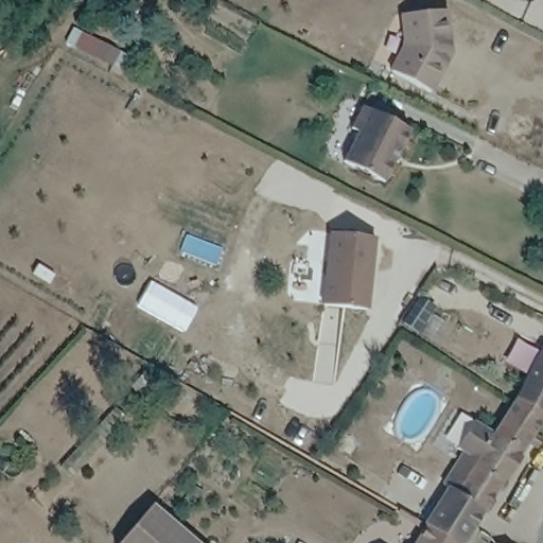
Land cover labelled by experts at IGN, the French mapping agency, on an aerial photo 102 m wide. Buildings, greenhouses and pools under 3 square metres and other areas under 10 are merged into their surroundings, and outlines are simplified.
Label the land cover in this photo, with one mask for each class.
<instances>
[{"label":"herbaceous vegetation","instance_id":"1","mask_svg":"<svg viewBox=\"0 0 543 543\"><path fill-rule=\"evenodd\" d=\"M161 11L172 19L176 32L187 45L176 55L163 51L161 45H155L153 53L159 62H176L180 66V62L195 49L204 55L202 62H210L216 70L225 72V81L218 87H214L210 81H197L182 95L197 106H204L280 146L284 142V136L293 127H297L299 119H312L316 115H322L335 123V117L344 100L356 102L361 100L358 89L367 87V76H363L358 70L341 68L335 62L312 53L310 49L263 25L252 23L250 19L225 6H216L210 13V17L227 25L242 40V47L233 51L225 42H218L212 36H208L204 32V25H189L180 13H176L170 6L168 0H142L140 23L146 25L151 17ZM322 76L337 78V93L331 100H314L308 91V81L318 85V78ZM255 13L261 6H267L269 21L274 25L310 40L312 45L329 51L335 57L358 59L365 66H369L373 62L378 47L388 45L384 38L390 32V19L399 15L424 8H448V23L452 25L454 38L458 34H465L469 38L467 42L471 47H477L484 38V30L490 28L496 34L492 40V57L501 68L513 72L524 81L543 76V40L522 32L515 23H507L481 11L479 6L467 0H233ZM93 34H98V40L115 47L117 51H123V55L132 53V45H117L119 34H112V30L108 28H98ZM68 38L62 36L57 42H53L55 49L62 51V59H66V66L59 70V76L55 78L51 91L36 110L32 129L17 140L13 153L0 159V263L11 265L19 272L32 267L36 272V278L45 280L53 291L74 299L85 308L81 322H85V331L78 337V341L70 350H66L57 363H53V367L30 388V392L4 420L0 418V439L13 441L23 437L36 443L34 469L23 471L11 481L0 484V543H127L125 535L138 524V520L148 511L153 503L174 515L180 505V498L174 496V475L182 471V467H170V456L185 458L189 454L191 448L185 441V433L174 428V424L170 422L157 420L153 428L140 431V437L134 443V452L129 456H119L117 452H110L106 448L93 450V454L89 456V465L83 467V471H74L70 467H62L59 458L74 445L76 435L70 433L68 416L64 409L89 397L91 405L102 411L108 405L102 397L100 380L108 378L110 365H117L119 358L132 361L138 356V352L119 339H112L108 329L93 327L98 308L93 305V297L102 291H108L112 293V303L117 305L129 301L132 305H138L148 284H159L170 293L182 297L185 301L197 308V314L189 329L180 331L185 341L191 344L195 356L187 358L185 367L176 371L180 375V399L174 407H170L172 416H193L195 397L204 392L227 403L231 409H235L242 416L255 409L257 422L274 431H286V435L295 437V445L312 443L318 420L297 416L293 409L282 405V397L288 378H312L316 348L308 339V325L320 320L327 303L320 299L318 303L295 301L286 293V286L274 295L261 293L255 297L252 303H248L242 293L227 291L223 286L229 267L238 259V250L242 248L252 250V257L259 261L257 269L259 274H265L278 265L282 272L293 261L305 259L308 248L299 244V238L303 233H327V221L318 212L272 202L259 195L257 187L261 185L269 165L278 161L274 155L244 142L240 136L227 134L214 127L212 123L195 119L191 112L151 95L142 85L132 83L123 72H112V64H106L104 59L83 51L78 45L68 47ZM189 235L221 246L223 261L218 265H206L185 257L182 244ZM47 465H53L57 469L59 481L49 490H42L38 481L45 475ZM74 511L78 515L81 530L74 537L55 535L51 526L59 524L64 513ZM515 115H524L532 121V129L528 134H520L513 138L509 134L492 136L490 127H477L475 134L479 140L509 153L518 161L543 170V100L522 98L513 104ZM318 168L339 174L348 182L363 187L375 193L378 197L452 231L454 235L492 252L498 259L509 261L520 250L524 259L532 246L543 250V229L526 225L522 206V195L515 189H509L505 182L492 178L488 170L477 168L473 172H462L458 163L450 170L411 172L409 168L397 163L384 176L386 180H375L367 172L339 165L335 159H331L329 155L320 161ZM409 176L418 180L424 178L418 202H409L405 197V185ZM520 333H513L507 320L492 316L490 310L486 314H477L473 310L435 305L426 329H422V335L431 339L435 346L454 354L460 363L477 361V365L481 367L494 363V356L501 352L509 356L518 341ZM369 320V316L365 314L348 310L339 356L335 365V371L339 375ZM399 352L405 361L403 373H392L384 378V397H367V411L352 422L339 448L327 458V465L348 469V475L361 471L363 484L380 492L386 484L392 481V475H397L399 465H409V473H416L422 479L437 475L441 479L445 465L454 458L458 450L456 443L448 439V435L454 428L458 416L465 414L471 418L473 411L481 407L488 411H496L501 403L492 392L475 386L471 380L437 363L411 344L401 341ZM414 382H428V390H435L439 397L445 399V409L439 414L433 431H428L426 439L418 450L407 443L409 437L403 435H388L386 424L390 416L399 414L405 401L411 397L409 386ZM242 477H229L218 456L208 462V475H199L195 488V496L202 498V507L197 511H191L189 520L182 522L204 543H358L356 539L361 537V532L380 520L375 505H371L369 501L344 490L341 486L329 479L314 481L303 471L295 475H284L274 488L276 496L284 501V511L269 513L267 518L257 515L250 511L242 496H225L238 490Z\"/></svg>","mask_w":543,"mask_h":543},{"label":"pervious surface","instance_id":"2","mask_svg":"<svg viewBox=\"0 0 543 543\"><path fill-rule=\"evenodd\" d=\"M496 6L509 11L511 15L524 17L528 23L539 25L543 30V0H490ZM496 34L490 28L484 30V38L477 47H471L467 42L469 38L465 34H458L454 38V55L448 68H443L441 81L433 87L411 74L395 70L392 66L390 62H373L369 66V70H373L375 74L388 76L403 87L418 89L431 102L441 104L458 117L475 121L477 127H490L492 136L509 134L513 138L520 134H528L532 129V121L524 115H515L513 104L522 98L543 100V76L524 81L513 72L501 68L492 57V40ZM441 89H450L452 93L465 100L473 98L479 106L462 108L443 98ZM367 87L358 89L361 100L363 104L382 110L407 125H411V121L418 119L424 121L426 127L445 134L454 142H467L471 146L469 159H475L477 168L488 170L492 178L505 182L509 189H515L522 195V206L530 204L535 195H543V170L518 161L509 153L479 140L475 134L465 132L448 121H441L431 112L418 110L416 106L403 100L390 102L382 95L365 98ZM259 195L272 202L318 212L327 221V231H375L378 235L373 295L371 305L365 314L369 316V320L339 375L335 371V365L339 356L348 310H339L337 303H327L320 320L308 325V339L316 348L312 378H288L282 397V405L293 409L297 416L318 420H331L341 409V405L352 395V390L356 388V384L369 367L371 348H382L397 327V318L403 305L414 297L418 280L433 263L437 265V272H441L448 263H460L465 267H471L475 272V278H479L481 282H492L501 291H511L515 299L543 312V295L465 252L450 250L448 246H441L431 240H411L409 229L399 221L382 216L380 212L363 204H356L335 193L333 187H329L327 182L308 176L305 172L284 161H278L269 165L261 185L257 187ZM327 233H303L299 238V244L308 248L305 259L293 261L282 272L286 278V293L295 301L318 303L320 299ZM259 261L252 257V250L242 248L238 250V259L229 267L223 286L227 291L242 293L248 303H252L255 297L261 293L255 284L257 269ZM428 297L435 301V305L473 310L477 314H486L490 310L492 316L507 320L513 333H520L518 341L532 346L539 352L543 350V322L511 310L501 301L486 299L479 291H469L460 286V280L456 276H452L443 286H433ZM539 445H524V456L507 475L505 488L498 490L490 511H486L481 522L475 524V530L471 535L475 543H543V433H537Z\"/></svg>","mask_w":543,"mask_h":543},{"label":"deciduous trees","instance_id":"3","mask_svg":"<svg viewBox=\"0 0 543 543\"><path fill-rule=\"evenodd\" d=\"M42 0H0V49L15 42L21 25L30 21L32 11L40 6ZM142 0H51L47 17L42 19V23L34 28L32 38L23 42V55L30 57L38 47H42L51 38L49 28L59 21L66 8L74 13L78 30L85 34H93L98 28H108L112 30V34H119L117 45H132V53L123 55V72L132 83L142 85L151 95L191 112L197 106L182 95L197 81H210L214 87H218L225 81V72L216 70L210 62H202L204 55L195 49L180 62V66L176 62H159L153 53L155 45H161L163 51L176 55L187 45L176 32L172 19L161 11L151 17L146 25L140 23ZM170 6L176 13H180L189 25H204L210 17V13L216 6L214 0H168ZM308 91L314 100H331L337 93V78L322 76L318 78V85L308 81ZM335 123L322 115H316L312 119H299L297 127H293L284 136V142L280 146L318 168L320 161L329 155L327 144ZM424 178L418 180L409 176L405 185V197L409 202H418ZM526 225L543 229V195H535L530 204L522 206ZM524 263H528L530 267L543 269V250L532 246L524 259ZM255 284L261 293L274 295L286 286V278L282 272L278 265L265 274H259L257 269ZM85 331V322H81L6 403L0 401V418L4 420L30 392V388L53 367V363H57L66 350H70L78 341V337ZM32 335V327H25L8 348H0V363L6 361ZM47 337H40L30 348V352L15 365L11 373H0V390L6 384H11L21 373V369L42 350ZM142 375L146 378V386L138 390L134 388V384ZM102 397L108 405H119L125 411H121V420L112 424L110 435L106 439V448L110 452H117L119 456H129L134 452V443L140 437V431L153 428L157 420L170 422L174 424V428L185 433V441L191 448L189 454L185 458L170 456V467H182V471L174 475V496L180 498V505L174 515L182 522L189 520L191 511H197L202 507V498L195 496V488L199 475H208V462L204 458V448H212L218 454L235 456L240 452H248L250 456H257L263 452L265 443H269V437H265L263 433L259 437H248L246 433H233L231 428L223 426V420L231 409L227 403L204 392L195 397L193 416H172L170 407H174L180 399V375L176 371L165 361L148 358L142 352H138V356L132 361L119 358L117 365H110L108 378L100 380ZM475 373H479L484 380L498 386L501 390L509 392L520 382L522 371L509 363V356L501 352L494 356V363L481 367L477 365L473 367ZM68 416L70 433L76 435L74 445L76 450H83L98 437V428L104 422L100 418L102 411L91 405L89 397L64 409ZM496 411H488L481 407L473 411L471 418L481 420L484 426H490L494 422ZM36 443L23 437L13 441L0 439V484L11 481L23 471L34 469ZM59 481L57 469L53 465H47L45 475L38 481L42 490H49ZM284 511V501L276 496L274 488L265 490L263 509H259L257 515L267 518L269 513ZM55 535L74 537L81 530L78 515L74 511L64 513L59 524L51 526Z\"/></svg>","mask_w":543,"mask_h":543},{"label":"building","instance_id":"4","mask_svg":"<svg viewBox=\"0 0 543 543\"><path fill-rule=\"evenodd\" d=\"M399 28L407 34L399 40V47L392 53V66L395 70L411 74L433 87L441 81L443 68H448L454 55V38L452 25L448 23V8H424L399 15ZM98 34H85L78 30H72L68 38V47L78 45L83 51L104 59L106 64H112V72H123V51H117L115 47L98 40ZM350 123L356 129L348 132L341 153L335 159L339 165L367 172L375 180H386L384 176L397 163L399 157H403L401 148L407 136L403 134V129L407 125L382 110L363 104L361 100L356 102L354 112L350 117ZM378 235L375 231H327V233L320 299L327 303H337L339 310H348L365 314L371 305L373 295ZM148 316L180 331L189 329L197 314V308L185 301L182 297L170 293L159 284H148L138 305ZM435 305V301L428 297H414L403 305L397 318V327H409L411 331L422 335V329H426ZM509 363L522 371L520 382L509 392L507 401L501 403L496 411L494 422L490 426H484L481 420L471 418L465 414L458 416L454 428L448 435V439L456 443L458 450L454 458L445 465L441 479L439 484L445 488V494L441 496L439 505L428 518L426 532L420 539L422 543H475L471 535L475 530V524L481 522L486 511H490L498 490L505 488L507 475L524 456V445H539L537 433H543V350L539 352L532 346L518 341L509 356ZM146 386V378L142 375L134 384V388L138 390ZM121 411H125L119 405H108L102 411L100 418L104 422L98 428V437L83 450H76L74 445L59 458L62 467H70L74 471H83V467L89 465V456L93 454V450L106 448V439L110 435L112 424L121 420ZM127 543H204L182 522L174 515L153 503L148 511L138 520V524L125 535Z\"/></svg>","mask_w":543,"mask_h":543},{"label":"brushwood","instance_id":"5","mask_svg":"<svg viewBox=\"0 0 543 543\"><path fill-rule=\"evenodd\" d=\"M216 6H225L250 19L252 23L263 25L310 49L312 53L335 62L341 68L358 70L363 76H367V87L365 98L382 95L390 102L403 100L416 106L418 110L431 112L441 121H448L465 132L475 134L477 127L475 121L458 117L441 104L431 102L418 89L403 87L388 76L375 74L373 70H369V66H365L358 59L335 57L329 51L312 45L310 40L274 25L269 21L267 6H261L255 13L233 0H214ZM479 6L481 11L507 23H515L522 32L543 40V30L539 25L528 23L524 17L511 15L509 11L496 6L490 0H467ZM204 32L208 36H212L218 42H225L233 51L242 47V40L227 25L210 17L204 25ZM443 98L462 108L479 106L473 98L465 100L452 93L450 89H441ZM195 119L212 123L214 127L227 134L240 136L244 142L274 155L278 161H284L305 172L308 176L327 182L329 187H333L335 193L356 204H363L380 212L382 216L399 221L409 229L411 240H431L441 246H448L450 250L465 252L543 295V269L530 267L528 263H524V259L520 250L509 261L498 259L492 252L454 235L452 231L378 197L375 193L363 187L348 182L339 174L318 168L280 146L204 106H197L191 112ZM403 134L407 136L401 148L403 157L416 163H458L462 172H473L477 168L475 159H469L471 146L467 142H454L445 134L426 127L424 121L418 119L411 121V125H407L403 129ZM452 276H456L460 280V286L469 291H479L486 299L501 301L511 310L543 322V312L515 299L511 291H501L492 282H481L479 278H475V272L471 267H465L460 263H448L441 272H437V265L433 263L418 280L414 297H428L433 286H443ZM401 341L411 344L437 363L471 380L475 386L492 392L501 403L507 401L509 392L501 390L498 386L484 380L479 373H475L473 367L477 365V361L460 363L454 354L435 346L431 339L422 335L411 331L409 327H397L382 348H371L369 367L356 384V388L352 390V395L341 405V409L331 420H318L312 443L295 445V437L286 435V431H274L257 422L255 409L242 416L235 409H231L223 420V426L231 428L233 433H246L248 437H259L263 433L265 437H269V443L282 452H288L295 460L303 462V471L314 481L329 479L341 486L344 490L369 501L371 505H375L380 520L397 524V515L405 513L407 518L420 520V511L403 503L386 501L380 492L363 484L361 471L348 475V469L327 465V458L339 448L352 422L367 411V397H384V378L392 373H403L405 361L399 352Z\"/></svg>","mask_w":543,"mask_h":543},{"label":"agricultural land","instance_id":"6","mask_svg":"<svg viewBox=\"0 0 543 543\"><path fill-rule=\"evenodd\" d=\"M51 0H42L40 6L32 11L30 21L21 25L15 42L0 49V159L13 153L17 140L32 129L36 110L51 91L55 78L59 76V70L66 66V59H62V51L55 49L53 42H57L62 36L68 38L72 30H78L74 13L66 8L59 21L49 28L51 38L42 47H38L30 57L23 55V42L32 38L34 28L42 23V19L47 17ZM85 308L74 299L53 291L45 280L36 278V272L32 267L19 272L11 265L0 263V348H8L25 327H32V335L6 361L0 363V373H11L15 365L30 352V348L40 337H47L42 350L21 369V373L11 384H6L0 390V401L6 403L81 322ZM93 305L98 308L93 327L108 329L112 339H119L138 352H142L148 358L165 361L176 371L185 367L187 358L195 356L191 344L185 341L180 331L148 316L138 305H132L129 301L117 305L112 303V293L108 291H102L93 297ZM218 456L229 477H242L238 490L225 496H242L250 511L257 515L259 509H263L265 490L274 488L284 475H295L303 471V462L295 460L288 452H282L269 443H265L263 452L257 456H250L248 452H240L235 456L218 454L212 448H204V458L208 462Z\"/></svg>","mask_w":543,"mask_h":543},{"label":"impervious surface","instance_id":"7","mask_svg":"<svg viewBox=\"0 0 543 543\"><path fill-rule=\"evenodd\" d=\"M407 34L399 28V15L390 19V32L384 38L388 45L378 47L373 62H390L392 66V53L399 47V40ZM356 102L344 100L335 117V123L327 144L329 155L331 159H335L341 153L348 132L356 129L350 123V117L354 112ZM397 163L409 168L411 172L450 170L458 163H416L403 157H399ZM428 382H414L409 386L411 397L405 401L399 414L390 416L386 424L388 435H403L401 428L409 409L420 399H431L435 407L426 426L420 431V435L409 437L407 443L418 450L426 439L428 431H433L439 414L445 409V399L439 397L435 390H428ZM441 479L437 475L422 479L416 473H409V465H399L397 475H392V481L386 484L380 492L386 501L403 503L420 511V520L407 518L405 513L397 515V524L380 520L361 532V537L356 539L358 543H422L420 539L426 532L428 518L439 505L441 496L445 494V488L439 484Z\"/></svg>","mask_w":543,"mask_h":543},{"label":"swimming pool","instance_id":"8","mask_svg":"<svg viewBox=\"0 0 543 543\"><path fill-rule=\"evenodd\" d=\"M185 257L206 265H218L223 261L221 246L189 235L182 244ZM435 407L431 399H420L409 409L401 428L403 435L409 437L420 435V431L426 426Z\"/></svg>","mask_w":543,"mask_h":543}]
</instances>
